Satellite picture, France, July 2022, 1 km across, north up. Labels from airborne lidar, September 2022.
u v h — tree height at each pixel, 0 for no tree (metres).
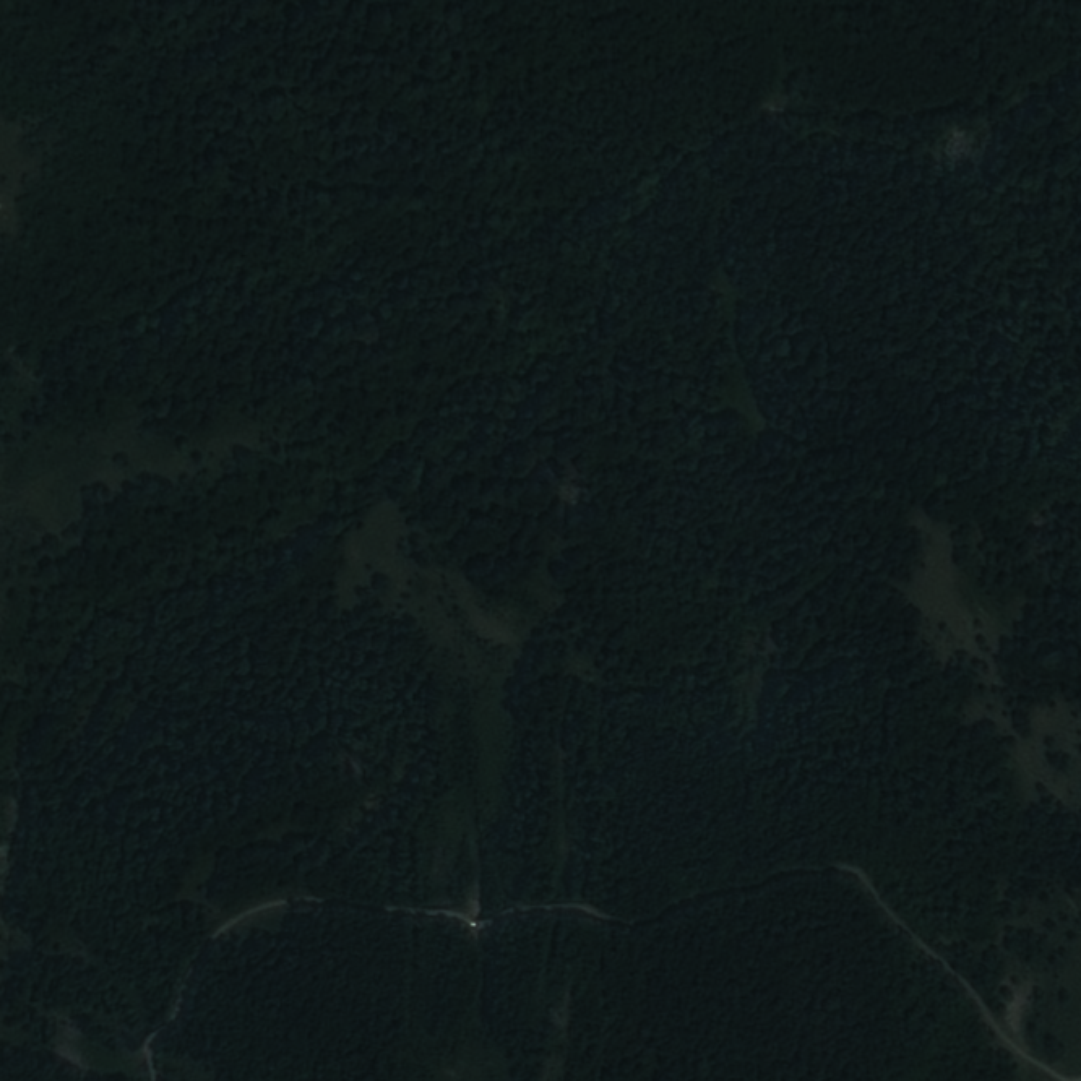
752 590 8
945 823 13
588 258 13
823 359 28
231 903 9
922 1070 17
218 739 23
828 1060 19
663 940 18
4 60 9
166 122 19
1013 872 10
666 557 16
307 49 17
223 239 17
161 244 19
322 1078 13
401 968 12
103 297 10
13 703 19
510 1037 10
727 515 28
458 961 7
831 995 19
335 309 21
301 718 24
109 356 17
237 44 24
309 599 19
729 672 13
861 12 24
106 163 9
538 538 20
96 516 18
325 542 19
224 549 29
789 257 26
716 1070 20
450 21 18
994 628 0
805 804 22
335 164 27
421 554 15
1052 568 26
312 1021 17
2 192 0
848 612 15
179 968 17
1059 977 9
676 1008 18
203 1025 10
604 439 25
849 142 12
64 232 9
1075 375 33
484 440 29
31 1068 19
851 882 13
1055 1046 11
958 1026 15
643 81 16
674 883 18
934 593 0
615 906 21
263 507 11
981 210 30
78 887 17
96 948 12
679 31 20
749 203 26
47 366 14
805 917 19
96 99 7
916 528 6
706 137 19
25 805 9
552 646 14
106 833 22
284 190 23
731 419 23
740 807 17
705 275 19
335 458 20
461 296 27
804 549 25
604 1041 20
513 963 11
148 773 21
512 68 19
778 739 25
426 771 27
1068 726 0
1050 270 27
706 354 14
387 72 24
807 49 21
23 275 14
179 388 15
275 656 21
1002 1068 12
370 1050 15
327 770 26
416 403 20
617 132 26
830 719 25
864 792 25
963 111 19
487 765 0
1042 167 26
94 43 15
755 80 20
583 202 13
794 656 25
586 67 20
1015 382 25
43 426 17
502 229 18
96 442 0
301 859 19
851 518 25
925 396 31
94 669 16
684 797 13
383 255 19
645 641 16
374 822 21
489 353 20
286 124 24
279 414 11
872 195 21
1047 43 21
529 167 17
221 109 24
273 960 14
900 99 21
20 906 12
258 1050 17
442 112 24
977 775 22
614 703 21
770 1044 23
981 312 13
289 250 19
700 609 21
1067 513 36
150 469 0
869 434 26
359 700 21
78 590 18
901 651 20
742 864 18
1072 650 29
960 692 13
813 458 17
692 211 18
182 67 12
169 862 15
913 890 10
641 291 18
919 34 18
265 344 21
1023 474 11
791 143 19
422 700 27
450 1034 10
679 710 20
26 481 0
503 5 17
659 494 23
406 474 24
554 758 12
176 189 18
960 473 22
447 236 16
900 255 19
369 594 13
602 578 16
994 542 10
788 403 23
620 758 13
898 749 26
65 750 17
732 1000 19
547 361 26
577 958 13
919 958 7
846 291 27
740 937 16
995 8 9
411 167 28
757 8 17
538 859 19
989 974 20
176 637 21
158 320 13
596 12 16
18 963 12
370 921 16
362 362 27
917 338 25
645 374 31
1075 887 8
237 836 11
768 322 24
